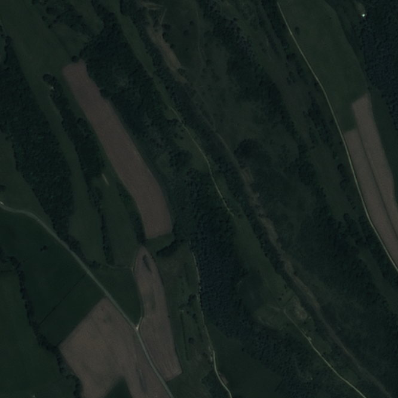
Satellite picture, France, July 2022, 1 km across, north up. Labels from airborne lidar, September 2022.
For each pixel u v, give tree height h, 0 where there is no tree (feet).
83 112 0
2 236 0
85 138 48
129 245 0
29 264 0
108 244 28
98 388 0
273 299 0
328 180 0
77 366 0
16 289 0
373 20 48
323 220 37
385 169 0
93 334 0
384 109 0
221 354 0
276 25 61
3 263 27
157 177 0
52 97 33
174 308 0
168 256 23
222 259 66
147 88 52
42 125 52
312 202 0
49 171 54
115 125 0
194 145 0
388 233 0
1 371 0
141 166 0
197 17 0
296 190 0
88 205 0
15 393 0
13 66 54
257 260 0
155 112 52
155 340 0
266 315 0
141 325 0
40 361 0
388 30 48
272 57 0
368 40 52
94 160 54
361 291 24
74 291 0
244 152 41
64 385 0
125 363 0
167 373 0
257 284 0
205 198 55
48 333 0
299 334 0
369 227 29
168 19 0
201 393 0
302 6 0
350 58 0
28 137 41
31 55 0
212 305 60
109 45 51
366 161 0
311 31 0
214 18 36
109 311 0
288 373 36
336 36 0
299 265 0
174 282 0
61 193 51
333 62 0
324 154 0
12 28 0
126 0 39
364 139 0
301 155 37
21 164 53
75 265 0
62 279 0
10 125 31
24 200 0
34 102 61
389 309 49
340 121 0
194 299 40
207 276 44
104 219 34
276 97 49
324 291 0
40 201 43
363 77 0
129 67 20
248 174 0
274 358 39
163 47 0
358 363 0
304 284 0
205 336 0
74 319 0
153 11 22
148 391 0
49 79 50
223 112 0
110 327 0
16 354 0
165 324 0
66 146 0
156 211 0
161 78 29
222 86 0
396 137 0
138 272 0
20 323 0
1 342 0
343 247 68
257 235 21
